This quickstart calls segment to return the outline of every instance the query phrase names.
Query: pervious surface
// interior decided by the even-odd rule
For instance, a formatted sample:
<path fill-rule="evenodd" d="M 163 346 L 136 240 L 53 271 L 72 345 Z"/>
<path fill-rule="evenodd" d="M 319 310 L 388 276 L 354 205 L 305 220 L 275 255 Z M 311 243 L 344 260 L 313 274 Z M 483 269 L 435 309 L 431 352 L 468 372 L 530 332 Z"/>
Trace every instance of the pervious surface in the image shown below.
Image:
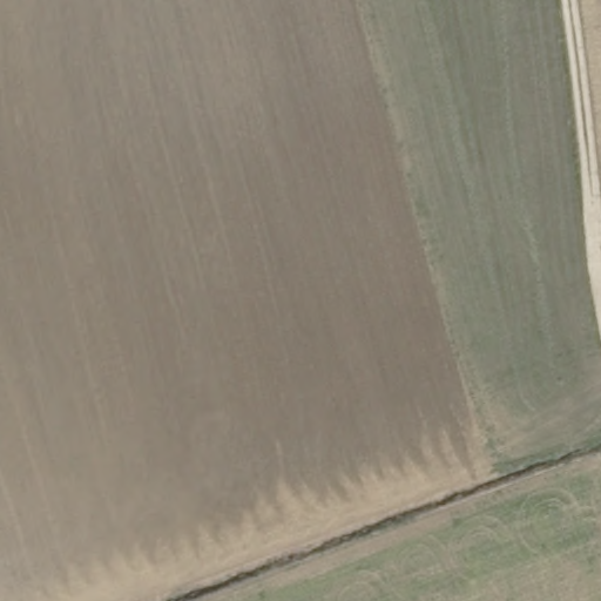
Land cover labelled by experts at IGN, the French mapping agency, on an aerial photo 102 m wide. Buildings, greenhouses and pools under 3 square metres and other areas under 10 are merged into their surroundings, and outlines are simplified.
<path fill-rule="evenodd" d="M 561 0 L 582 176 L 587 270 L 589 286 L 601 282 L 601 115 L 592 108 L 589 99 L 578 0 Z"/>

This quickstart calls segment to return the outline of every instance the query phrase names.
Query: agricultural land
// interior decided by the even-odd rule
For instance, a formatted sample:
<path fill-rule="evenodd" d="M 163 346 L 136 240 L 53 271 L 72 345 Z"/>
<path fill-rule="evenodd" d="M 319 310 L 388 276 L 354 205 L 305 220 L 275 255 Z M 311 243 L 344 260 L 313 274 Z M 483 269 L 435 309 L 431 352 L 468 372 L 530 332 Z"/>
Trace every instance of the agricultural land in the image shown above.
<path fill-rule="evenodd" d="M 498 477 L 521 470 L 528 462 L 563 455 L 601 432 L 601 282 L 589 286 L 587 270 L 582 176 L 561 0 L 357 0 L 380 99 L 406 176 L 406 188 L 418 221 L 423 249 L 427 256 L 434 289 L 439 293 L 446 333 L 467 394 L 470 416 L 477 416 L 479 430 L 486 434 L 486 451 Z"/>
<path fill-rule="evenodd" d="M 251 578 L 247 582 L 202 596 L 197 601 L 601 601 L 601 458 L 585 455 L 566 465 L 538 470 L 533 474 L 512 479 L 477 495 L 455 500 L 434 512 L 420 514 L 404 526 L 373 533 L 371 538 L 312 556 L 293 568 L 270 570 L 265 575 Z"/>

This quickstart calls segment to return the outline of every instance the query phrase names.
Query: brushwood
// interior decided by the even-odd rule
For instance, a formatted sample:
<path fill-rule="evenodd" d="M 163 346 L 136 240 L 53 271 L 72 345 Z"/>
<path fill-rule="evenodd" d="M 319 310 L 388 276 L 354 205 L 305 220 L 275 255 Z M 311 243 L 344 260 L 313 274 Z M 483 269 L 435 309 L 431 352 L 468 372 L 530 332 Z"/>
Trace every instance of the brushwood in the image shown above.
<path fill-rule="evenodd" d="M 265 575 L 270 570 L 293 568 L 312 556 L 371 538 L 373 533 L 404 526 L 420 514 L 434 512 L 455 500 L 477 495 L 512 479 L 533 474 L 538 470 L 566 465 L 585 455 L 601 458 L 601 432 L 563 455 L 528 462 L 521 470 L 498 477 L 462 491 L 453 491 L 439 500 L 397 512 L 357 531 L 329 538 L 317 547 L 270 559 L 256 568 L 235 573 L 214 585 L 204 585 L 169 596 L 164 601 L 197 601 L 202 596 L 247 582 L 251 578 Z"/>

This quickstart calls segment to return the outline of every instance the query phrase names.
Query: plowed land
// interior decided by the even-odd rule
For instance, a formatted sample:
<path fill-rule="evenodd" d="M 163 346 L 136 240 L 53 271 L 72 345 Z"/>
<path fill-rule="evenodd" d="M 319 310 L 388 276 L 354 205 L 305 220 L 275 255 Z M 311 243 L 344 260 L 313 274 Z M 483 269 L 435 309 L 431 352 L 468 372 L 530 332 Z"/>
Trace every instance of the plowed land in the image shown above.
<path fill-rule="evenodd" d="M 0 0 L 0 601 L 164 601 L 169 596 L 204 585 L 214 585 L 235 573 L 256 568 L 270 559 L 317 547 L 329 538 L 357 531 L 397 512 L 439 500 L 453 491 L 462 491 L 498 477 L 486 451 L 486 434 L 479 430 L 477 416 L 470 416 L 467 394 L 446 333 L 439 293 L 434 289 L 427 256 L 423 249 L 418 221 L 406 188 L 406 176 L 380 99 L 357 0 Z"/>
<path fill-rule="evenodd" d="M 592 108 L 601 115 L 601 0 L 578 0 L 589 99 Z"/>

